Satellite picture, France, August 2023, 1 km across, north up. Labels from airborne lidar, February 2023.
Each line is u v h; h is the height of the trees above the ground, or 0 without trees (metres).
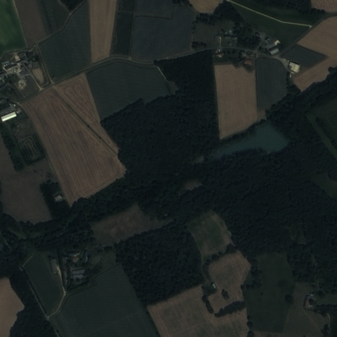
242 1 0
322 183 0
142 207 6
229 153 0
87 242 16
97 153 0
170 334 0
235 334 0
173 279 15
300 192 22
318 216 18
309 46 0
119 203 14
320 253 15
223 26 0
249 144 0
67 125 0
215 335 0
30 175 0
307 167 19
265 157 14
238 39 10
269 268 0
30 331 10
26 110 0
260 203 19
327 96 19
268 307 0
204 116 21
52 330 15
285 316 0
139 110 22
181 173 7
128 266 24
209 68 10
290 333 0
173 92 0
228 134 0
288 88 9
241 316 0
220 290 0
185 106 21
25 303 10
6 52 0
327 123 0
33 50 0
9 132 0
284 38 0
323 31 0
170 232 16
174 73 6
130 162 22
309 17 0
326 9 0
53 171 0
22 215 0
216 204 18
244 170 25
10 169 0
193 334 0
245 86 0
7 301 0
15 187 0
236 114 0
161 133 27
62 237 16
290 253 18
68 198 0
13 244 20
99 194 7
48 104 0
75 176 0
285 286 0
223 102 0
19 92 0
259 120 0
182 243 22
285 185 21
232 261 0
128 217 0
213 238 0
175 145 29
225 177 24
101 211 11
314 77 0
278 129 13
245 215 20
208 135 22
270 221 27
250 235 16
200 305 0
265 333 0
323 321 0
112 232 0
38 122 0
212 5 0
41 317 11
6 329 0
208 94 12
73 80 0
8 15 0
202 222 0
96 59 0
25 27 0
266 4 17
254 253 19
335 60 0
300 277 13
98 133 0
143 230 0
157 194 10
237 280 0
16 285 14
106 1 0
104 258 0
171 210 18
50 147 0
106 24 0
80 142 0
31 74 0
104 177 0
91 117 0
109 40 0
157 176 25
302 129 16
